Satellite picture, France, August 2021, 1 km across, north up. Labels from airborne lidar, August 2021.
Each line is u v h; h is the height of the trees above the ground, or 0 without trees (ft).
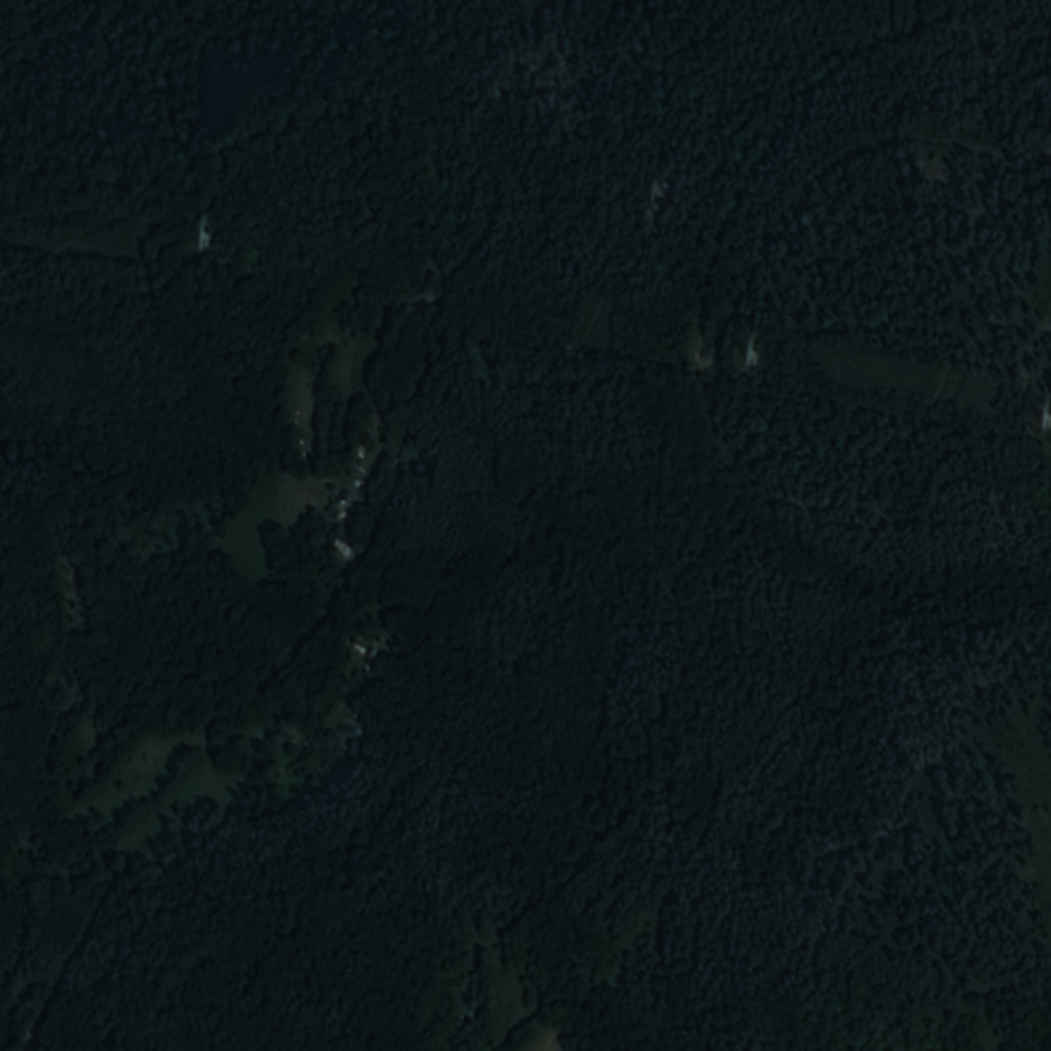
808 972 93
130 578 66
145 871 93
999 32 66
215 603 77
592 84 33
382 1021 61
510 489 96
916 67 87
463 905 52
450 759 104
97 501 103
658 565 80
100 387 72
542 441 78
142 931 75
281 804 39
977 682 100
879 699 74
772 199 64
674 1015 74
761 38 80
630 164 77
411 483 93
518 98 35
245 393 75
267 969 78
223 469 85
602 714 52
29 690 80
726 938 74
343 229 63
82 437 101
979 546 76
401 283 71
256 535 0
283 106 100
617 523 99
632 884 75
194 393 69
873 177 73
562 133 78
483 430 73
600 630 90
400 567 53
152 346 67
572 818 75
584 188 63
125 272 72
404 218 79
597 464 81
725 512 90
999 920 41
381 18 104
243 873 107
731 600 59
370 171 67
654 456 71
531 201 33
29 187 91
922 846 79
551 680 114
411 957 54
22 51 92
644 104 84
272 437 64
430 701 74
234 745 50
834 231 85
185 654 89
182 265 54
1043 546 83
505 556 42
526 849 98
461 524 87
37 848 34
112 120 95
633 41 94
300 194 78
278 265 104
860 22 91
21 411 33
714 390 47
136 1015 79
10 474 115
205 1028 79
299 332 58
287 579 93
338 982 65
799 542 68
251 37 120
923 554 94
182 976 85
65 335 43
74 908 93
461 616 69
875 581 68
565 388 77
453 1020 48
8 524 97
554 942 49
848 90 68
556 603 96
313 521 55
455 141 65
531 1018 41
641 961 49
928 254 83
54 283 80
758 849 83
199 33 96
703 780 78
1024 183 54
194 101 117
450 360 80
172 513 75
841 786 82
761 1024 78
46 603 70
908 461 45
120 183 27
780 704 113
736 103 52
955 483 35
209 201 50
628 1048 67
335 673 82
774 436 51
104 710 71
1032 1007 50
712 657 69
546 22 102
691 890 83
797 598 93
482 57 94
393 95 85
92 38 92
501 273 51
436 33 92
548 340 68
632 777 71
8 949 22
